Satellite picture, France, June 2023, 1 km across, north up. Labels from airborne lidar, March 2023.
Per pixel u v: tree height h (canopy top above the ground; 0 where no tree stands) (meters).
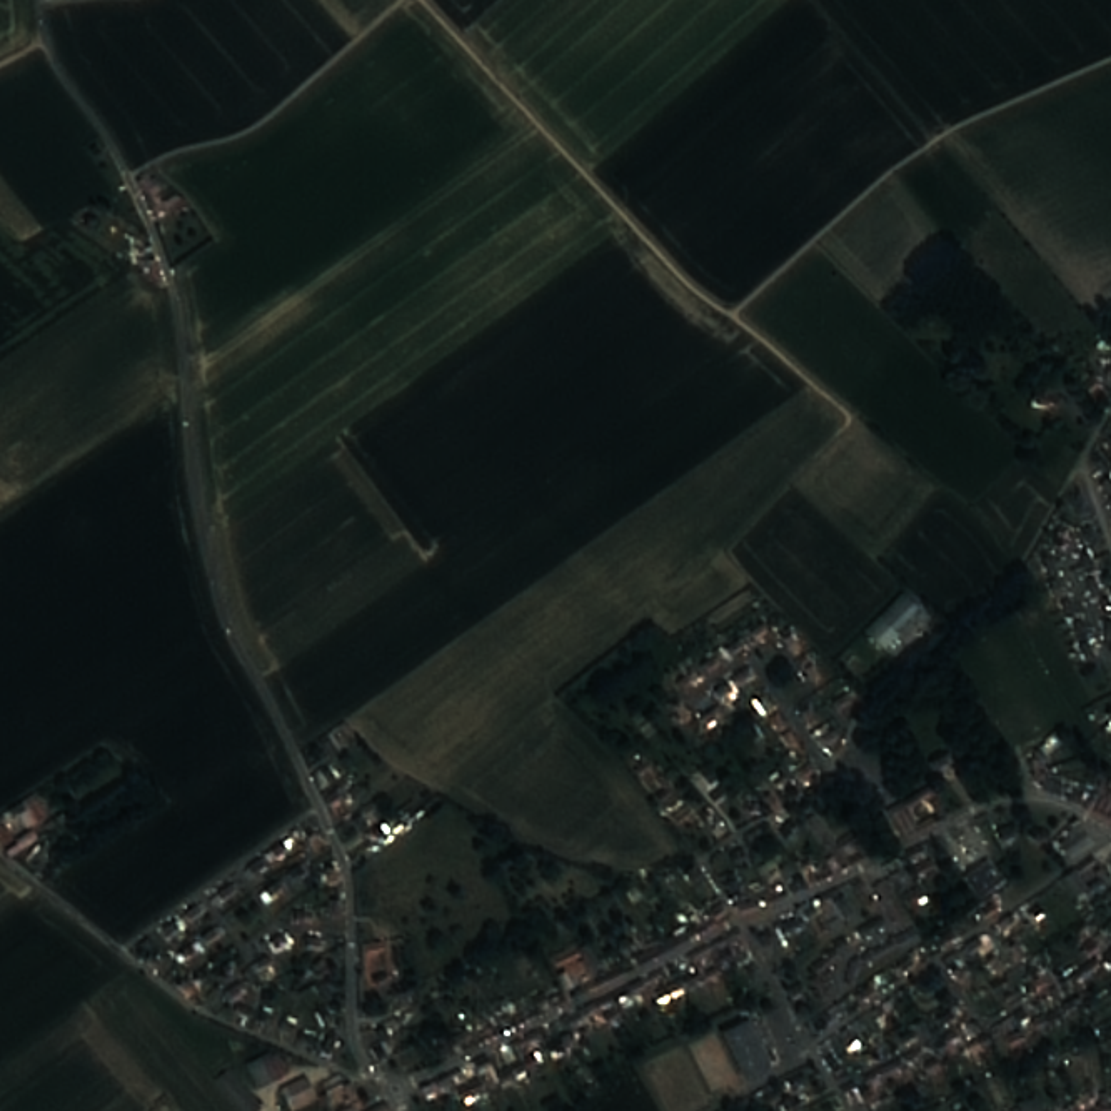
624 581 0
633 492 0
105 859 0
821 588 0
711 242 0
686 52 0
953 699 25
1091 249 0
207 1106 0
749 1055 0
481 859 0
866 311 0
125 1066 0
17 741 0
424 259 0
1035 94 0
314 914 0
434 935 14
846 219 0
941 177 0
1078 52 0
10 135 0
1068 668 0
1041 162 0
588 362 0
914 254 0
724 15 0
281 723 0
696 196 0
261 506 0
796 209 0
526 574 0
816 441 0
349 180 0
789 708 0
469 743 0
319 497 0
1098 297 0
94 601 0
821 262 0
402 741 0
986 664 0
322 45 0
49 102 0
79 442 0
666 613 0
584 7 0
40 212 0
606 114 0
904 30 0
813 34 0
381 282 0
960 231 0
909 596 0
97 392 0
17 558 0
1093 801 0
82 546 0
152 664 0
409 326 0
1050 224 0
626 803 0
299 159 0
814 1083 8
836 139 0
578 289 0
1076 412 0
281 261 0
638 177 0
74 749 0
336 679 0
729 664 0
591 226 0
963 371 18
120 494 0
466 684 0
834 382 0
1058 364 15
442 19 0
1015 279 0
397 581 0
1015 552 0
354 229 0
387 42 0
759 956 0
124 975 0
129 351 0
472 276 0
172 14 0
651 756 0
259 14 0
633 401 0
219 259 0
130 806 14
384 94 0
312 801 0
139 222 0
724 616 0
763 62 0
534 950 12
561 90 0
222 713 0
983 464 0
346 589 0
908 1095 16
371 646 0
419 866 0
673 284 0
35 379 0
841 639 0
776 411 0
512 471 0
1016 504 0
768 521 0
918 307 18
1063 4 0
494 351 0
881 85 0
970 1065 0
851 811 22
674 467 0
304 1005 0
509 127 0
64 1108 0
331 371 0
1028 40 0
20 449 0
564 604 0
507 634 0
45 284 0
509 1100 0
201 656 0
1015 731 0
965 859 0
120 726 0
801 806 8
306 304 0
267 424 0
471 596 0
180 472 0
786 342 0
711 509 0
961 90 0
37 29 0
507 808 0
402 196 0
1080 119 0
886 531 0
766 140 0
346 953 0
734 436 0
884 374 0
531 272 0
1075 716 0
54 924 0
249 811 0
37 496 0
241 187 0
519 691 0
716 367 0
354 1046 0
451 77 0
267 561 0
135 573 0
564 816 0
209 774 0
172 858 0
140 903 0
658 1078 0
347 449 0
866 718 19
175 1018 0
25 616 0
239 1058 0
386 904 0
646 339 0
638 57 0
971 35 0
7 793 0
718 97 0
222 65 0
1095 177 0
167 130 0
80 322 0
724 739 9
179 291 0
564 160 0
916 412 0
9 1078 0
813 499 0
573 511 0
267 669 0
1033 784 0
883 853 16
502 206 0
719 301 0
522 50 0
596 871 7
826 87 0
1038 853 0
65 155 0
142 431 0
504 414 0
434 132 0
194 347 0
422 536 0
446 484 0
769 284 0
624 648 13
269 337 0
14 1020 0
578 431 0
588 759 0
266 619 0
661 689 12
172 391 0
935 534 0
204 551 0
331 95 0
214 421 0
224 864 0
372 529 0
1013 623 0
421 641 0
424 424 0
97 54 0
